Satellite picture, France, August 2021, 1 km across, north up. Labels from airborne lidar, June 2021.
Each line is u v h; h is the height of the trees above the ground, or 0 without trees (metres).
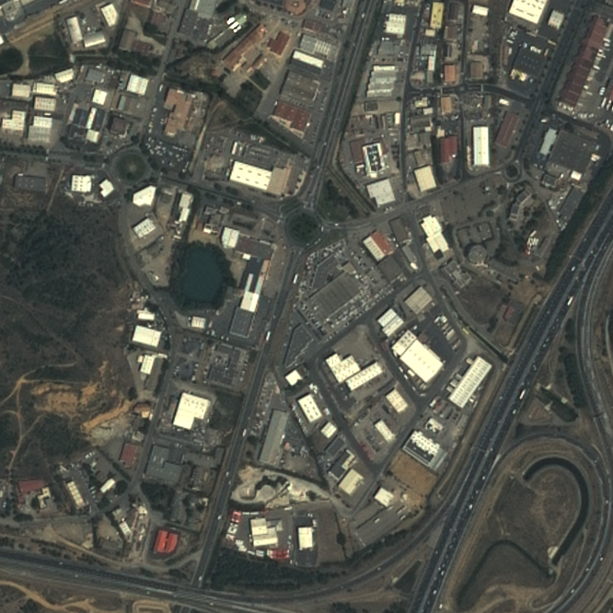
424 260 0
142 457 0
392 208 0
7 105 0
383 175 0
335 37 0
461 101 0
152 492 9
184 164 0
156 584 0
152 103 0
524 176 0
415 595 0
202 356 0
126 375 0
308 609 0
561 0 0
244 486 0
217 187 9
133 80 0
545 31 0
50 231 7
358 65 0
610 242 0
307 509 0
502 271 0
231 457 0
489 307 0
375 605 0
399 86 0
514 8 0
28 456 0
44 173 0
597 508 0
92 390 0
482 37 0
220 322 0
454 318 0
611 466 0
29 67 0
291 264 0
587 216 14
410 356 0
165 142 0
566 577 0
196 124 0
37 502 11
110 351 0
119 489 10
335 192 12
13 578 0
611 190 0
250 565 8
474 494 0
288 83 0
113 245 0
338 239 0
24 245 11
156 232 0
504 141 0
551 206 0
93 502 0
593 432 0
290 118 0
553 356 0
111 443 0
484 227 0
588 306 0
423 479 0
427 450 0
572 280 0
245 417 0
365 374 0
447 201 0
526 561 0
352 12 0
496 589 0
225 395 0
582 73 0
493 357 0
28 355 0
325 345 0
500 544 0
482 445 0
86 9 0
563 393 0
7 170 0
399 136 0
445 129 0
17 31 0
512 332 0
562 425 0
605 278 0
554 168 0
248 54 0
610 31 0
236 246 0
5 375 0
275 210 0
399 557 0
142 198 0
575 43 0
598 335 0
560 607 0
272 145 0
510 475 0
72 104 0
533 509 0
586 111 0
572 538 0
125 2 0
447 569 0
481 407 0
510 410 0
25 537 0
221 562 7
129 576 0
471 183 0
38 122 0
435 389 0
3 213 0
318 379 0
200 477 0
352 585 0
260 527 0
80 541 0
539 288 0
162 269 0
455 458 0
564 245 11
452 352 0
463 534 0
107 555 0
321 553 0
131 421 0
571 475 0
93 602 0
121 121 0
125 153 0
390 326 0
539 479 0
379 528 0
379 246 0
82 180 0
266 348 0
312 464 0
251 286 0
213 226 0
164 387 0
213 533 0
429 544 0
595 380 0
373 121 0
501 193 6
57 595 0
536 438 0
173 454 0
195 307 11
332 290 0
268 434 0
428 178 0
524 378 0
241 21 0
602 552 0
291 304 0
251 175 0
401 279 0
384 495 0
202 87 11
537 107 0
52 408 0
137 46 0
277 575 6
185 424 0
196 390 0
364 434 0
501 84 0
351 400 0
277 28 0
